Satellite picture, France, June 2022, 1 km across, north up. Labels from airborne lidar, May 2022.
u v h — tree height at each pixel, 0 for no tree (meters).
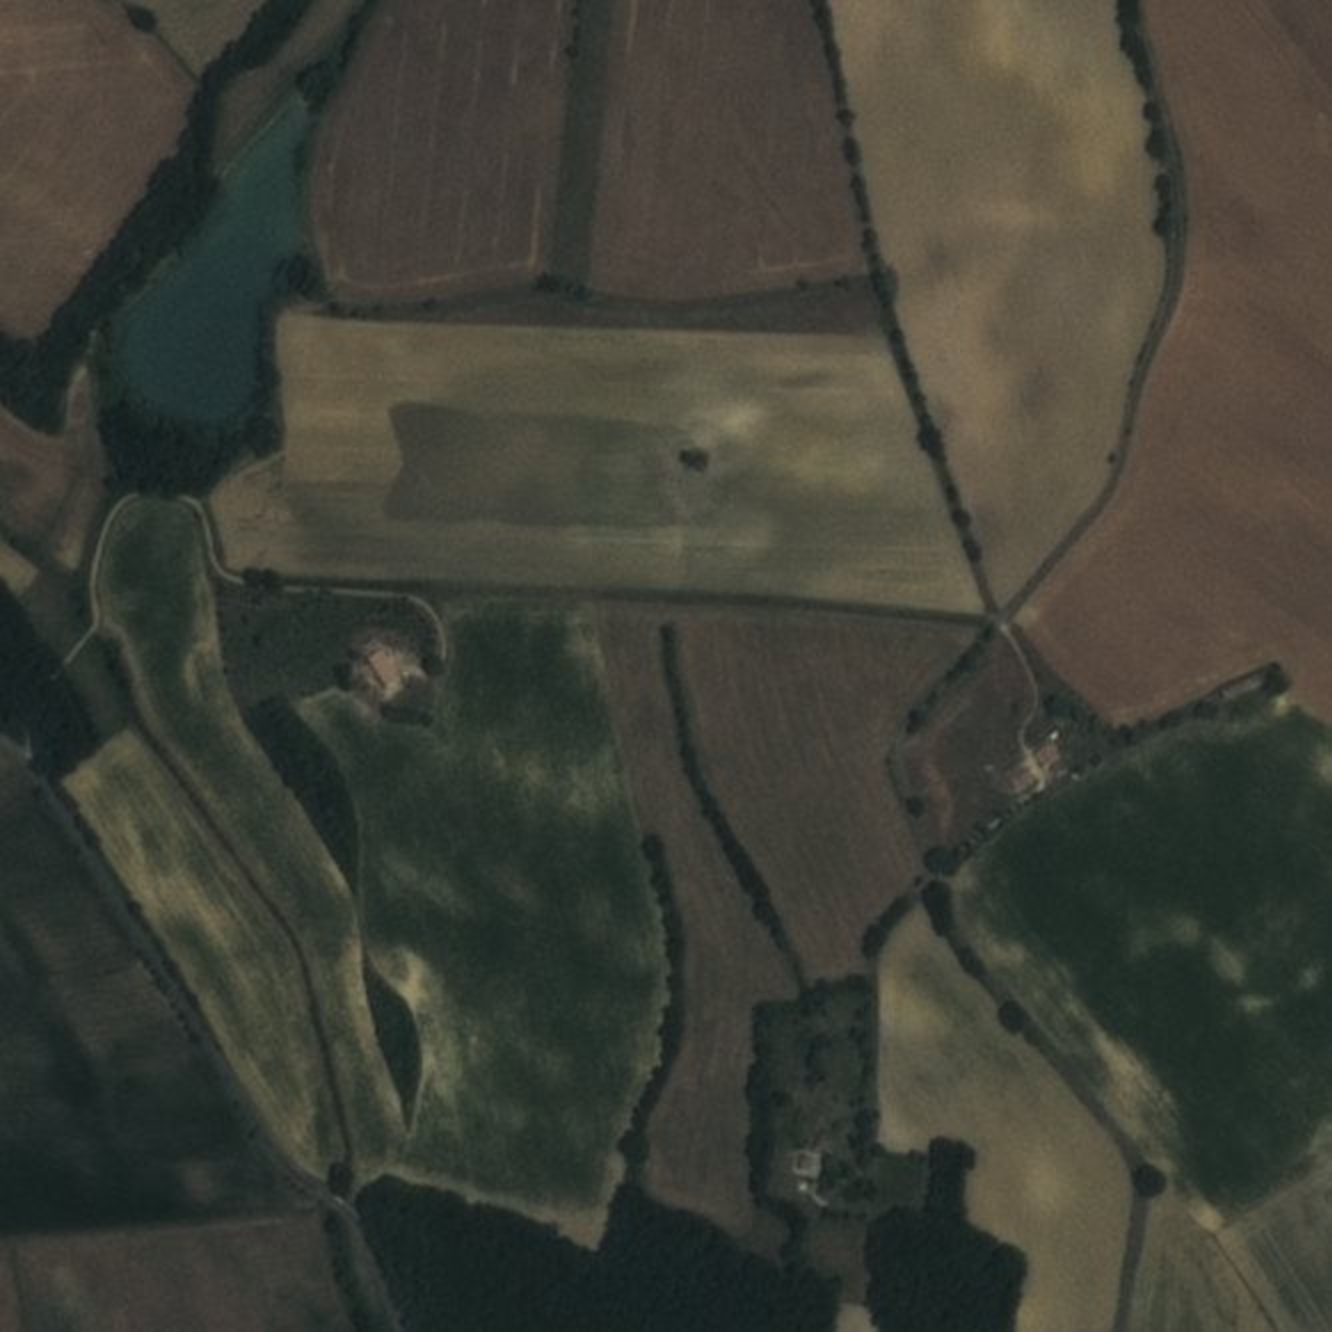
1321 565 0
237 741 0
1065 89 0
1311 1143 0
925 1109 0
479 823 0
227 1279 0
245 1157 0
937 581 0
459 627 0
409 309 0
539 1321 17
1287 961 0
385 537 0
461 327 0
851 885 0
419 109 0
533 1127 0
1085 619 0
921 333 0
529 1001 0
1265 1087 0
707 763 0
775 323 0
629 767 0
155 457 25
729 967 0
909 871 0
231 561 0
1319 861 0
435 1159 0
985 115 0
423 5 0
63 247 0
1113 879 0
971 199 0
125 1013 0
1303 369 0
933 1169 9
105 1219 0
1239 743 0
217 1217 0
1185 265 0
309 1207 0
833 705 0
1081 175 0
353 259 0
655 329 0
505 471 0
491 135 0
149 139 0
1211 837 0
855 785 0
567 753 0
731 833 7
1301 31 0
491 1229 14
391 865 0
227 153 0
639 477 0
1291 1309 0
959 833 0
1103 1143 0
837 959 0
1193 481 0
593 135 0
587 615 0
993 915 0
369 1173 0
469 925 0
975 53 0
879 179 0
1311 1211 0
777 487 0
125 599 0
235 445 12
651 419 0
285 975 0
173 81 0
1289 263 0
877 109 0
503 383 0
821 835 0
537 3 0
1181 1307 0
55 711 14
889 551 0
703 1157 0
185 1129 0
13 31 0
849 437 0
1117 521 0
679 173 0
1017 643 0
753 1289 20
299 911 0
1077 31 0
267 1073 0
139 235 17
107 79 0
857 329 0
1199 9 0
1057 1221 0
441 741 0
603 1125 0
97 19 0
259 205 0
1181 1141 0
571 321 0
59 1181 0
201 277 0
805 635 0
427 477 0
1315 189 0
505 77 0
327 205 0
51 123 0
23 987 0
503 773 0
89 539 0
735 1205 0
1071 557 0
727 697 0
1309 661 0
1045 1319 0
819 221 0
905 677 0
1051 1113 0
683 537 0
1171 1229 0
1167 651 0
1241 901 0
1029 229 0
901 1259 20
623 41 0
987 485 0
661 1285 19
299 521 0
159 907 0
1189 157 0
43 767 18
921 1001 0
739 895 0
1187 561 0
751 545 0
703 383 0
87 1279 0
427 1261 15
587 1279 15
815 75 0
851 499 0
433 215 0
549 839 0
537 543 0
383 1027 6
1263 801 0
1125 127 0
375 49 0
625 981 0
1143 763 0
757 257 0
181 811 0
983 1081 0
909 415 0
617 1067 0
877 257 10
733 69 0
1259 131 0
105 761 0
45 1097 0
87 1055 0
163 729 0
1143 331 0
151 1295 0
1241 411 0
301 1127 0
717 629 0
